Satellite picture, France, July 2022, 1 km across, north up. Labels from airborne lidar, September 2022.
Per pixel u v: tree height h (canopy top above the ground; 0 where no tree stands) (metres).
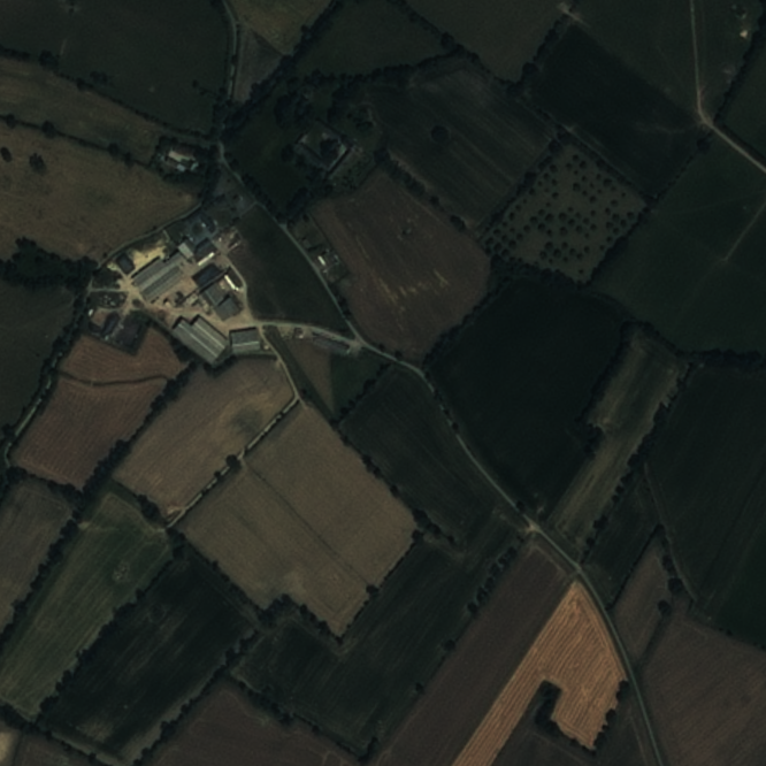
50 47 0
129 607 11
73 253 0
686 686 0
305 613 17
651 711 0
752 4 0
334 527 0
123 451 18
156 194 0
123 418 0
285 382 0
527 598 0
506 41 0
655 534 8
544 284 18
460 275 0
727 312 0
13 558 0
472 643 0
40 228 0
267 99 21
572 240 0
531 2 0
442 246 0
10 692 0
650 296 0
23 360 0
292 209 15
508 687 0
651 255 0
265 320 0
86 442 0
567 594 0
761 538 0
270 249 0
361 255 0
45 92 0
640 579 0
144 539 0
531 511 0
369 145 0
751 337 0
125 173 0
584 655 0
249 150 0
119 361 0
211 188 9
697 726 0
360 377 0
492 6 0
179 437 0
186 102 0
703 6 0
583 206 0
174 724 10
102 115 0
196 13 0
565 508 0
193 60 0
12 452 9
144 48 0
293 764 0
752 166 0
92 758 13
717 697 0
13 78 0
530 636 0
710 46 0
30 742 0
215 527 0
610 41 0
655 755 0
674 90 0
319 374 0
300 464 0
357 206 0
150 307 0
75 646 0
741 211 0
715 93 0
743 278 0
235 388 0
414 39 0
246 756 0
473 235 0
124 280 0
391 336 0
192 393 0
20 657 0
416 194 18
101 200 0
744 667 0
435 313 0
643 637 0
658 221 0
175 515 0
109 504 0
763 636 0
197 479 0
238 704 0
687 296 0
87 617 0
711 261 0
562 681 0
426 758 0
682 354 10
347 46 0
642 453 17
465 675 0
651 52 0
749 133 0
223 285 0
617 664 0
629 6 0
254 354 0
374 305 0
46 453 0
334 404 0
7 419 0
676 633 0
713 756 0
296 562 0
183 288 0
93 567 0
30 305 0
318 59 0
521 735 0
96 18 0
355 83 12
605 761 0
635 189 8
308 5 0
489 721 0
